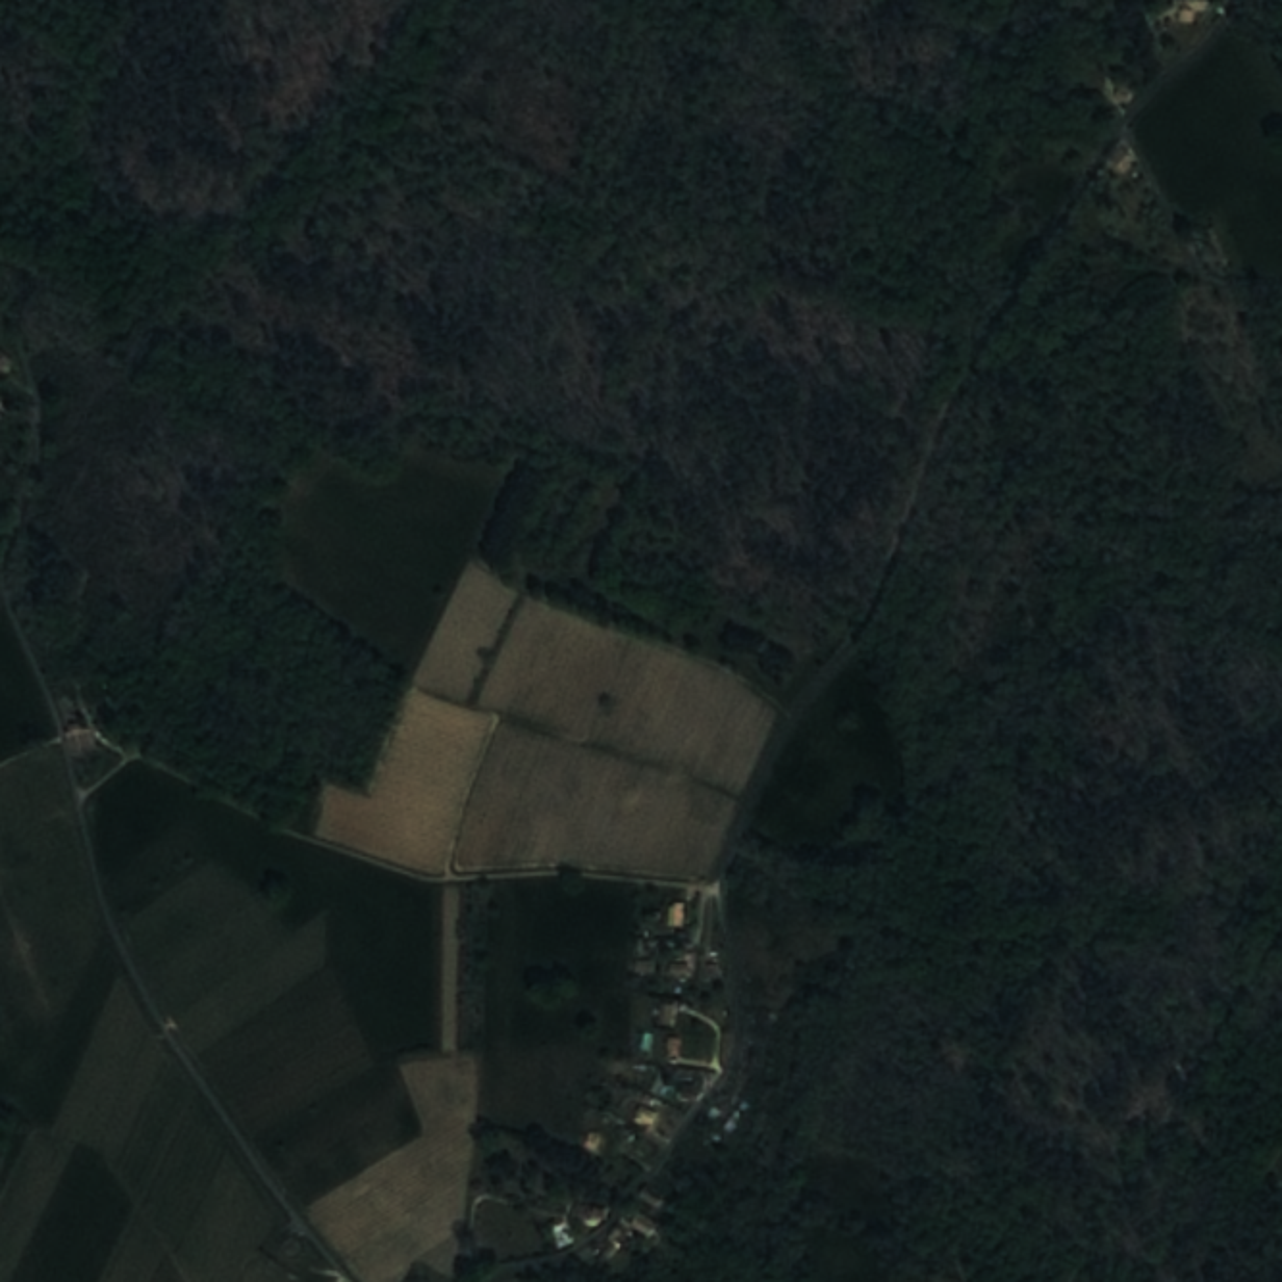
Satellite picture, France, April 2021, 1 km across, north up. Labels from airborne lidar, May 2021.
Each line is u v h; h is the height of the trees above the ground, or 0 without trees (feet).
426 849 0
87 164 46
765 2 59
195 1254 0
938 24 52
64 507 19
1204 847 50
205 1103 0
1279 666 46
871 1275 0
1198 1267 60
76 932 0
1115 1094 81
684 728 0
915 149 73
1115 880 55
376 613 0
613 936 0
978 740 51
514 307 46
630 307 39
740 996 0
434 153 20
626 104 53
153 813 0
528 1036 0
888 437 47
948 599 55
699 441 51
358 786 49
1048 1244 45
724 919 0
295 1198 0
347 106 50
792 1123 43
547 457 37
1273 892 64
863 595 52
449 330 74
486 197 52
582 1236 54
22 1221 0
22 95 35
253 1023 0
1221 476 44
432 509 0
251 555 51
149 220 54
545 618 0
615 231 60
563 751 0
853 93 28
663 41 31
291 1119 0
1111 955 33
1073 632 62
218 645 55
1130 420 59
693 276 48
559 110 52
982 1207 48
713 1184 64
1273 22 36
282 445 68
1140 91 39
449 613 0
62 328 66
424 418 26
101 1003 0
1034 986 52
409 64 78
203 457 31
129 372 41
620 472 58
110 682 45
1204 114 0
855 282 40
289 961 0
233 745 70
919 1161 55
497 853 0
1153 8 46
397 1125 0
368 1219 0
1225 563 55
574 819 0
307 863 0
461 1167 0
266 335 37
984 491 33
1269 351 50
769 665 26
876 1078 44
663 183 52
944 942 62
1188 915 39
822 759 0
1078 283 51
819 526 50
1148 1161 44
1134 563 58
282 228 59
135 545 29
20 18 50
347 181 42
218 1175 0
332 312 49
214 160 66
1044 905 72
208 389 71
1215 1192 58
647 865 0
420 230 22
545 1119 0
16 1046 0
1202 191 0
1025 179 0
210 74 69
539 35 51
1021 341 69
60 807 0
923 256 29
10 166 44
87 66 73
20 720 0
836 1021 58
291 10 62
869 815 75
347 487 0
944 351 56
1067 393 67
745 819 0
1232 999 25
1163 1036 64
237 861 0
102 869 0
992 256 52
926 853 81
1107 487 68
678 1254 73
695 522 81
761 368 85
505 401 35
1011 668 80
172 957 0
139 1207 0
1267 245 0
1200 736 58
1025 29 60
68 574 87
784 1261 67
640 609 55
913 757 56
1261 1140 62
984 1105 34
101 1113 0
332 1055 0
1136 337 57
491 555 51
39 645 25
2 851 0
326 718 47
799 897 42
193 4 73
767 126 19
